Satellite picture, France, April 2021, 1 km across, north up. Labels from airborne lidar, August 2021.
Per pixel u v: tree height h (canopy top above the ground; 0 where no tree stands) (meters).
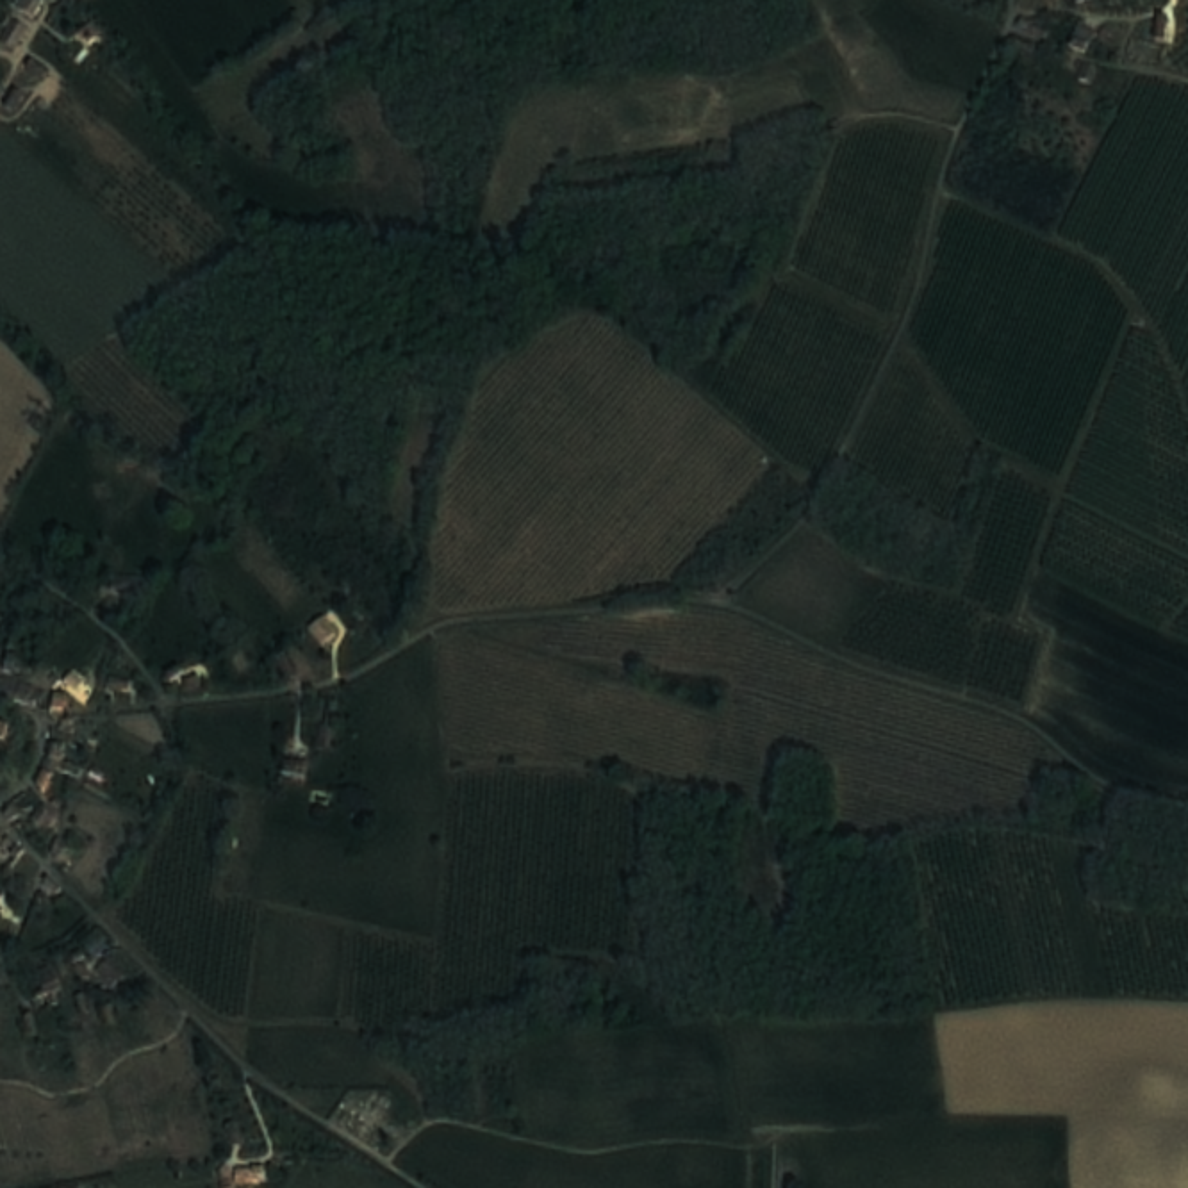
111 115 0
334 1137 7
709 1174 0
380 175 0
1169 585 6
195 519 11
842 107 0
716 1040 0
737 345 17
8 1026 0
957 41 0
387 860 0
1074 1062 0
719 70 13
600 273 21
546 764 0
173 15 0
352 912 0
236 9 0
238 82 0
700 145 7
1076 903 0
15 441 0
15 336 15
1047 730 0
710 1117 0
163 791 7
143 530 0
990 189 8
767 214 19
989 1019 0
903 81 0
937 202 0
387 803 0
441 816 0
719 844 24
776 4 15
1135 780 0
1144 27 0
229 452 20
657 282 23
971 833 13
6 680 0
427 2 18
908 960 17
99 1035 0
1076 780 19
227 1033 0
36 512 0
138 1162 0
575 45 9
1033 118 8
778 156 17
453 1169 0
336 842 0
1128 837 20
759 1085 0
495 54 21
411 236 24
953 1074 0
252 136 0
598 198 20
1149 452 6
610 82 0
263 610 0
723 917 22
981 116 8
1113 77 0
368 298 19
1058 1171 0
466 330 17
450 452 18
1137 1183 0
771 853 0
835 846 27
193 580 20
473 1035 20
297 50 0
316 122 23
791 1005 18
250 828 0
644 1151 0
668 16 18
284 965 0
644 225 20
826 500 19
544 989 20
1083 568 6
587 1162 0
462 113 18
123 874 18
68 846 9
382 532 16
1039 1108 0
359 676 0
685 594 12
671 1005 21
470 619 0
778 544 0
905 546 17
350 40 12
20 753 10
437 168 13
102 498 0
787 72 0
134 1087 0
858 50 0
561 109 0
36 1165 0
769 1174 0
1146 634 0
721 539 8
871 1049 0
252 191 0
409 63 20
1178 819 16
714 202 19
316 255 26
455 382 17
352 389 18
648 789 14
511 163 0
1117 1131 0
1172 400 5
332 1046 0
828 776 19
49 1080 0
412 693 0
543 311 20
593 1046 0
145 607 19
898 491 8
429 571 12
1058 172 6
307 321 19
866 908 25
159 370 18
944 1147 0
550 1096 0
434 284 25
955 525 11
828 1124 0
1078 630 0
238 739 0
